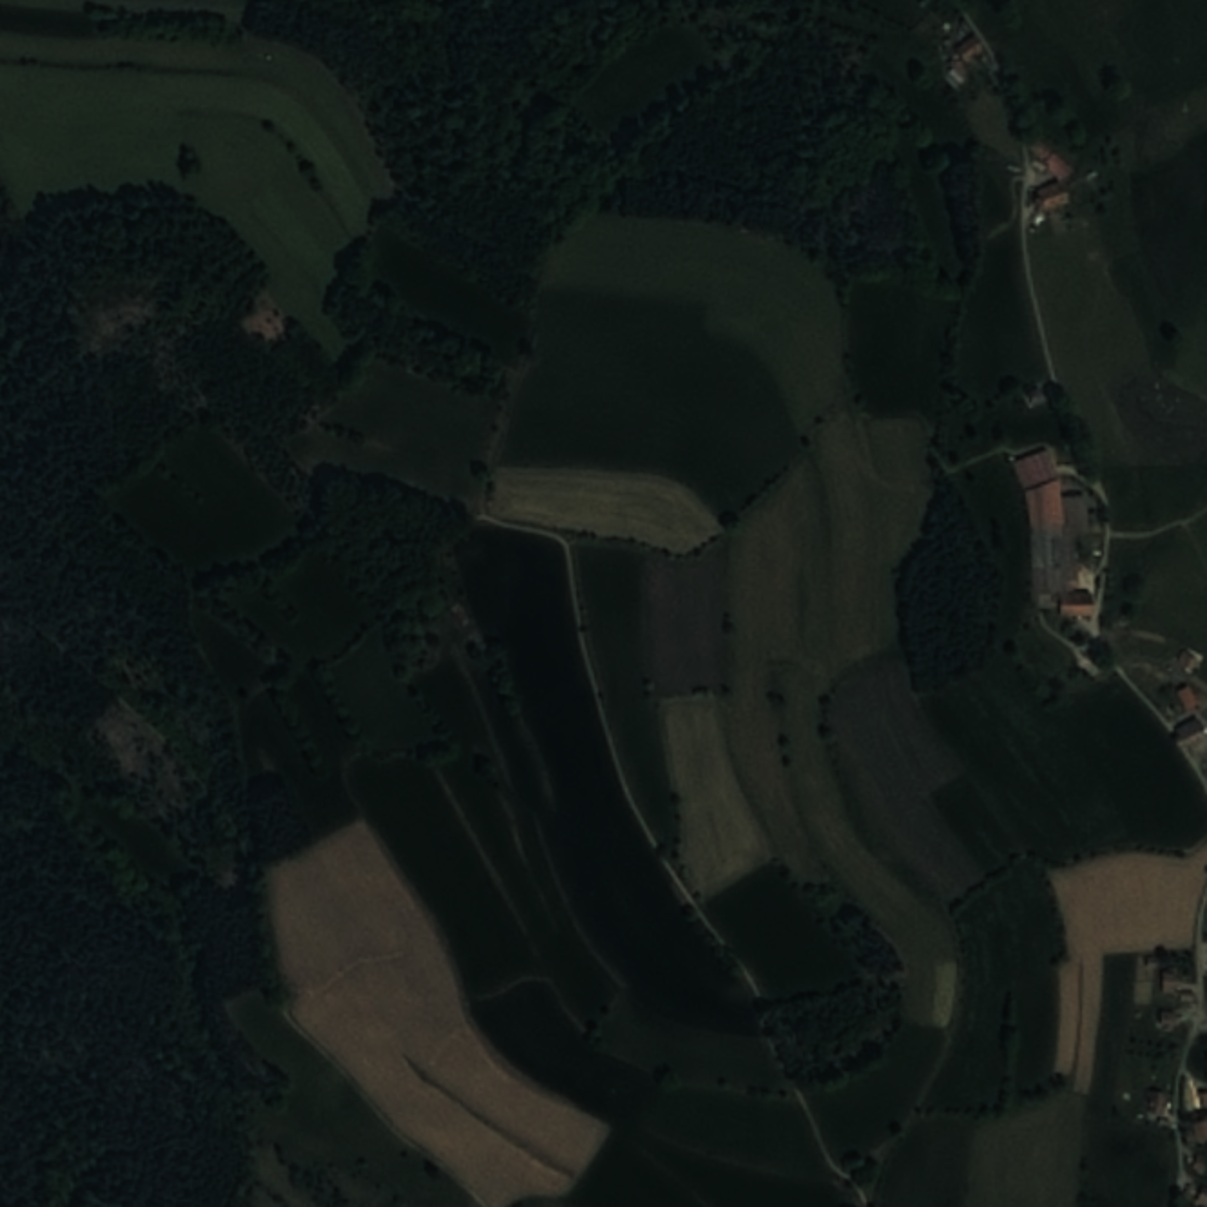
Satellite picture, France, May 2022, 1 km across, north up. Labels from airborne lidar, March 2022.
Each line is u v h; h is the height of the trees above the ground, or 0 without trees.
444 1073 0
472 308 0
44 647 19
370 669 0
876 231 26
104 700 18
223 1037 28
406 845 0
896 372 0
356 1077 0
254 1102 14
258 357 12
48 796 24
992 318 0
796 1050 22
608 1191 0
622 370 0
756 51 17
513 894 0
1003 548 20
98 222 20
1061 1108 0
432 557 22
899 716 0
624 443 0
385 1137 0
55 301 25
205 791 11
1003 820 0
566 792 0
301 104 0
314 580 0
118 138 0
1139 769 0
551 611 0
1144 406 0
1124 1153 0
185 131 0
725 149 15
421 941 0
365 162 0
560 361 0
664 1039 0
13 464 29
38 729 7
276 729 0
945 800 0
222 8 0
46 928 22
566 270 0
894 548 0
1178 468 0
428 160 7
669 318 0
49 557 23
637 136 25
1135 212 0
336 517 26
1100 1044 0
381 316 22
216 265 13
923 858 0
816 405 0
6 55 0
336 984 0
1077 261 0
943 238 0
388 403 0
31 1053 32
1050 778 0
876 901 0
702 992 0
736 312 0
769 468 0
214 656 0
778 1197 0
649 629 0
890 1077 0
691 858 0
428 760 16
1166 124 0
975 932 0
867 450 0
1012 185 0
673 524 0
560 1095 0
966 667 20
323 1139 0
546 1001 0
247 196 0
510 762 0
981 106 0
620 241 0
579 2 32
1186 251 0
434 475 0
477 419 0
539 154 19
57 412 11
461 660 0
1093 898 0
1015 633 0
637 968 0
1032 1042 0
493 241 14
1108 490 0
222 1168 21
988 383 0
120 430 13
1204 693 0
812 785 0
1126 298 0
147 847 0
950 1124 0
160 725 25
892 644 0
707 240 0
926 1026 0
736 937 0
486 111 23
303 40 17
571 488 0
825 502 0
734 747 0
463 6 29
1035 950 0
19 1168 33
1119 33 0
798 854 0
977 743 0
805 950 0
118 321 0
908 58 0
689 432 0
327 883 0
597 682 0
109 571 12
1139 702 0
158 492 0
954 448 0
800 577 0
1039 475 0
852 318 0
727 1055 0
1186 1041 0
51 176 0
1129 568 0
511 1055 0
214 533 0
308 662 0
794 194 23
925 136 21
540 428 0
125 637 21
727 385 0
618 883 0
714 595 0
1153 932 0
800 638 0
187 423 8
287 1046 0
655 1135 0
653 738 0
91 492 12
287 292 0
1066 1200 0
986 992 0
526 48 26
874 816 0
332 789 0
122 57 0
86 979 28
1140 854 0
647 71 0
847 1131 0
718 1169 0
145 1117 30
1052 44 0
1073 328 0
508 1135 0
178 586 11
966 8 23
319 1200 10
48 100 0
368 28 18
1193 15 0
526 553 0
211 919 27
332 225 0
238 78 0
